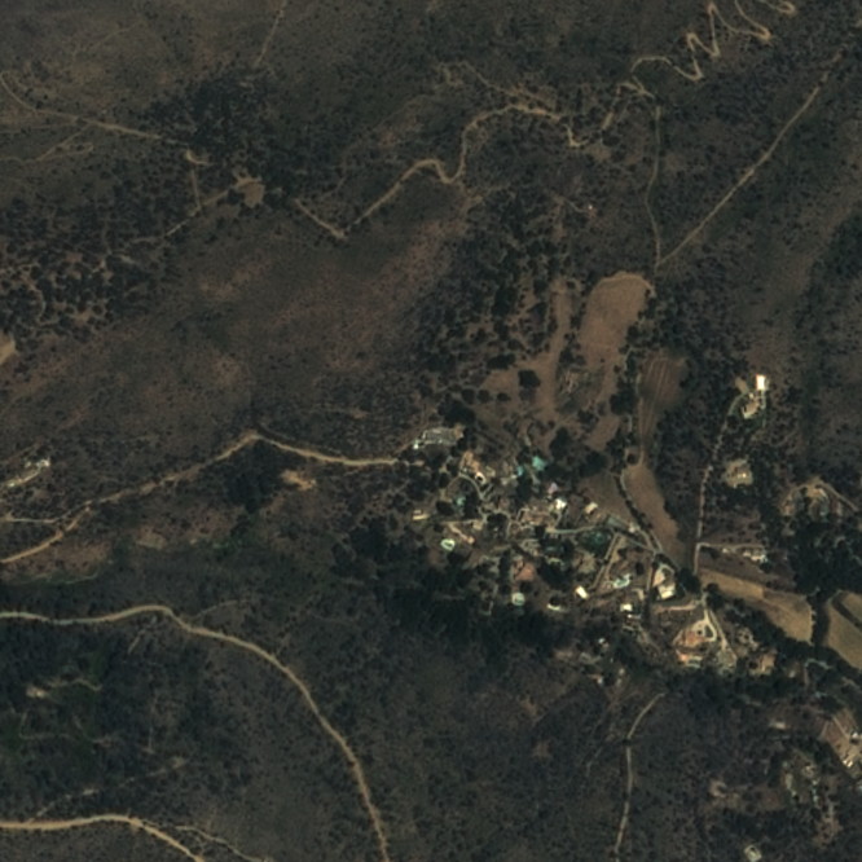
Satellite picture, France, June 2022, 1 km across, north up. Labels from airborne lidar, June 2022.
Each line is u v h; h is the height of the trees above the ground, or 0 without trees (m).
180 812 7
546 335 10
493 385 0
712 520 8
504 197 11
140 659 10
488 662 11
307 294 0
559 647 15
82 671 7
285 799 0
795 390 12
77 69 0
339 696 11
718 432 6
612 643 13
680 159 0
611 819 0
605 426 0
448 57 12
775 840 8
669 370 0
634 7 0
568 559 11
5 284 9
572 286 8
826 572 10
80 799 9
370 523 9
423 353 15
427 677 0
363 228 8
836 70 9
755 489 10
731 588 0
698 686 15
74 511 8
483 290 6
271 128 12
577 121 10
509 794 8
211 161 8
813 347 0
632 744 11
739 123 8
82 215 9
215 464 9
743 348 7
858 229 10
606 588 0
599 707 9
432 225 0
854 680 12
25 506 8
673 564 8
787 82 8
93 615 9
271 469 13
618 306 0
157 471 10
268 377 0
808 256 0
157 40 0
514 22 9
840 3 8
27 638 14
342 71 10
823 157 0
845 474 10
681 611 0
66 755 11
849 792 0
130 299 10
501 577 8
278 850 0
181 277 9
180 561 0
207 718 14
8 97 0
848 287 6
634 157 0
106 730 10
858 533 10
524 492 13
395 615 16
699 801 11
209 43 0
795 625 0
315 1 0
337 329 0
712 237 0
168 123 13
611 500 0
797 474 11
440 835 8
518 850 0
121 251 10
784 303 0
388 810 13
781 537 6
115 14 0
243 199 7
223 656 0
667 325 9
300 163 9
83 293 9
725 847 11
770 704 15
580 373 7
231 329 0
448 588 7
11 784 9
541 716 8
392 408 9
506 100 8
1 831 8
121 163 8
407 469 13
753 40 8
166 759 11
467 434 12
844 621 0
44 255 8
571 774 12
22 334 12
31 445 8
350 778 11
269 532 0
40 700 12
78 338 8
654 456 8
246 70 9
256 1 0
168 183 10
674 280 0
